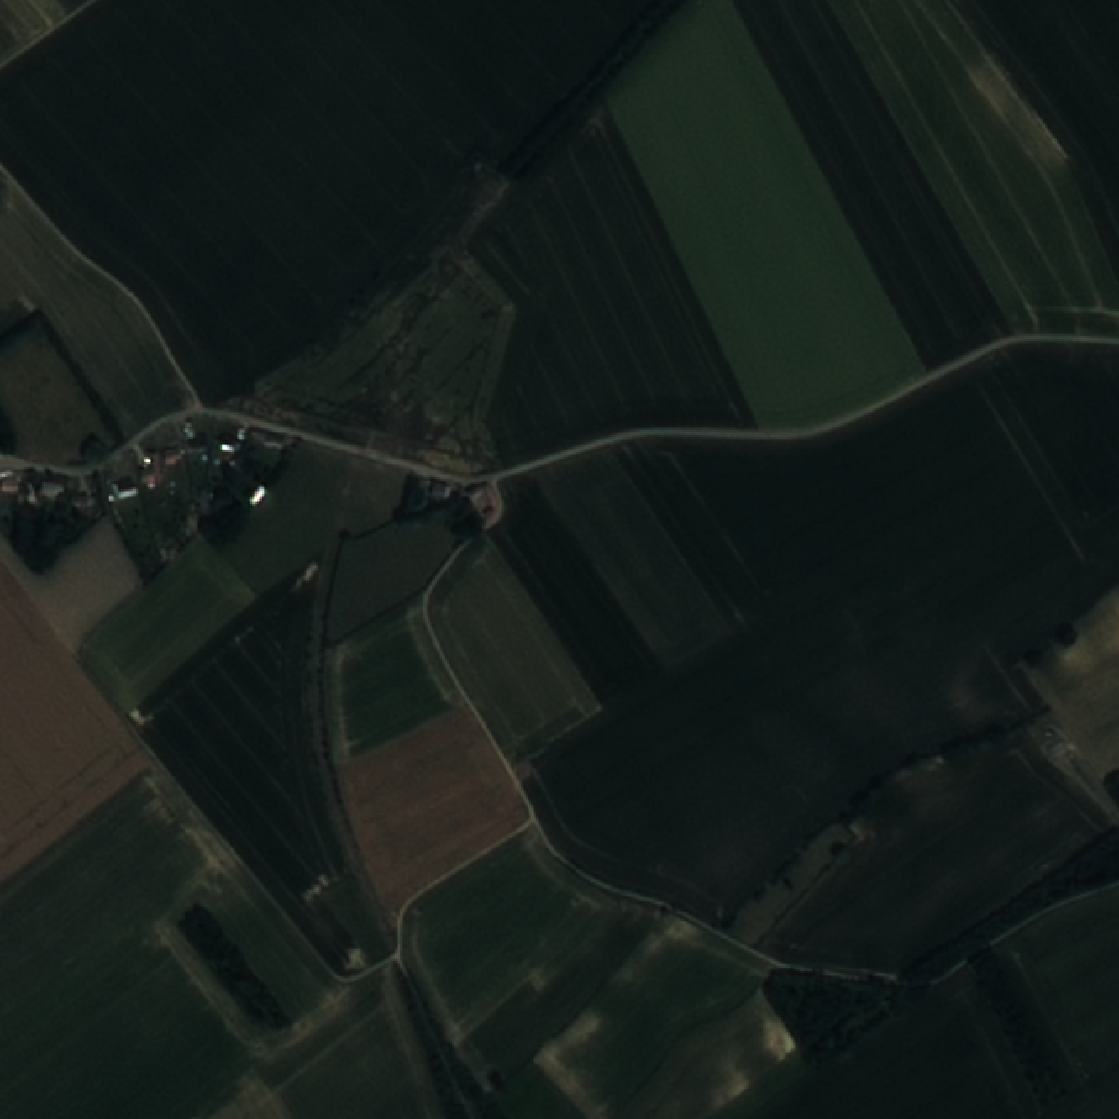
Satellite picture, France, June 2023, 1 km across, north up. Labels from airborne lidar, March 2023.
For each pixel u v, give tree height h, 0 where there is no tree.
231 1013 0
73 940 0
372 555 0
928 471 0
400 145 0
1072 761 0
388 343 0
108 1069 0
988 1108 0
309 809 0
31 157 0
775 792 0
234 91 0
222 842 0
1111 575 0
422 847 0
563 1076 0
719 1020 0
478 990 0
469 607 0
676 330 0
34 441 0
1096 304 0
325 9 0
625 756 0
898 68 0
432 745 0
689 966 0
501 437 0
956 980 0
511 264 0
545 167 0
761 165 0
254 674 0
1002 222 0
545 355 0
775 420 0
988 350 0
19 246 0
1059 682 0
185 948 0
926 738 0
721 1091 0
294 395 0
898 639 0
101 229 0
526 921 0
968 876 0
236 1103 0
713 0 0
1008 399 0
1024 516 0
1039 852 0
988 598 0
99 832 0
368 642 0
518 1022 0
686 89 0
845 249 0
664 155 0
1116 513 0
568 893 0
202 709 0
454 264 0
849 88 0
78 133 0
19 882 0
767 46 0
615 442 0
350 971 0
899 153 0
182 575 0
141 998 0
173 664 0
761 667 0
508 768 0
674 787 0
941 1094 0
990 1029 0
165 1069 0
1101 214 0
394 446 0
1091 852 9
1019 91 0
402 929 0
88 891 0
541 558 0
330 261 0
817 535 0
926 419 0
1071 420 0
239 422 0
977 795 0
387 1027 0
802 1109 0
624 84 0
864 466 0
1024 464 0
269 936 0
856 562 0
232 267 0
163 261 0
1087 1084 0
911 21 0
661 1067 0
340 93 0
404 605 0
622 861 0
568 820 0
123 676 0
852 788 0
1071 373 0
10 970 0
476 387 0
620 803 0
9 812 0
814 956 0
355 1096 0
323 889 0
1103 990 0
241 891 0
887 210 0
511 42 0
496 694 0
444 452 0
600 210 0
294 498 0
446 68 0
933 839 0
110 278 0
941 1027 0
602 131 0
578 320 0
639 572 0
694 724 0
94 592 0
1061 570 0
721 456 0
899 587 0
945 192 0
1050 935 0
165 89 0
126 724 0
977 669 0
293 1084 0
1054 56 0
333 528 0
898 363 0
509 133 0
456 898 0
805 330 0
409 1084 0
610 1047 0
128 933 0
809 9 0
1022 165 0
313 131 0
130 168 0
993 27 0
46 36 0
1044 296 0
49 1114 0
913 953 0
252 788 0
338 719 0
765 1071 0
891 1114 0
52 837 0
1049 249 0
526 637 0
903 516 0
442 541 0
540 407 0
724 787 0
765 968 0
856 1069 0
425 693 0
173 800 0
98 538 0
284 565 0
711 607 0
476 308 0
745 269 0
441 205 0
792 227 0
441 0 0
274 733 0
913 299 0
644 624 0
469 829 0
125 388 0
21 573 0
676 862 0
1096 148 0
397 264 0
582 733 0
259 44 0
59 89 0
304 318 0
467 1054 0
